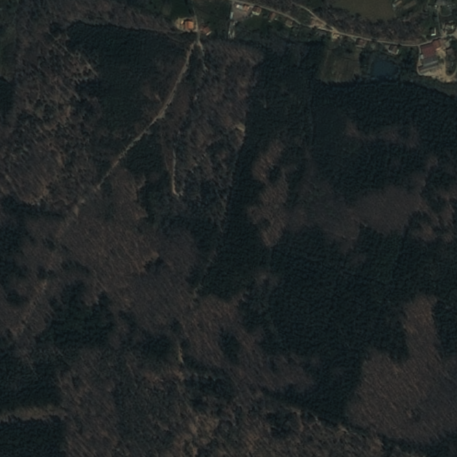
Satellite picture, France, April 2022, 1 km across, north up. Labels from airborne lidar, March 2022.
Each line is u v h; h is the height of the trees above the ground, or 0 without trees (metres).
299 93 14
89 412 25
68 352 29
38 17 30
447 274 23
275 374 32
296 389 21
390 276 13
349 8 0
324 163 19
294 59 29
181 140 27
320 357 20
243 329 24
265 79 18
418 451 26
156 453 25
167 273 25
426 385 24
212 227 23
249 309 16
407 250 23
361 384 24
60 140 9
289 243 15
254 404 30
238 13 0
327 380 28
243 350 29
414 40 14
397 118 25
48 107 7
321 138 17
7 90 27
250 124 17
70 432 26
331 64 0
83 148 23
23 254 19
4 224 0
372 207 0
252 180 25
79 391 28
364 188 16
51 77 19
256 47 22
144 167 12
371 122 21
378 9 0
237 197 19
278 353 26
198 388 28
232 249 18
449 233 23
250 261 22
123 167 14
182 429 26
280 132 18
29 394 35
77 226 0
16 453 26
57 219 19
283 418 32
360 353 19
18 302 22
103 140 12
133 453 27
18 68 27
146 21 0
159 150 12
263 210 19
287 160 21
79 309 16
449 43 0
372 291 21
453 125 24
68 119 8
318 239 17
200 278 22
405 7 0
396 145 19
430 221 27
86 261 0
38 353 30
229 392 30
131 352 23
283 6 19
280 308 24
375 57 14
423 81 14
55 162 29
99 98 20
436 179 26
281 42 20
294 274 25
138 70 13
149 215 12
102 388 28
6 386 24
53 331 22
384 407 22
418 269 21
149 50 14
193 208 25
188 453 6
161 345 26
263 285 22
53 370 27
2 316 0
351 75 0
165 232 16
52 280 23
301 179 21
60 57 10
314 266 18
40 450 23
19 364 27
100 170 9
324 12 22
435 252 29
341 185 19
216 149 15
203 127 21
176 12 0
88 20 0
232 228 21
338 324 19
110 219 17
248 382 0
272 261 18
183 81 8
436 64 0
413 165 19
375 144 14
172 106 11
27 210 24
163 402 28
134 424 25
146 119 8
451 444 20
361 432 22
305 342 25
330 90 20
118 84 13
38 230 0
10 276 25
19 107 22
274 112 15
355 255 15
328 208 20
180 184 9
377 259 14
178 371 13
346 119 14
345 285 20
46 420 0
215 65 21
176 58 12
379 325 15
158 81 11
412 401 23
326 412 20
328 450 28
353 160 17
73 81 7
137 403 29
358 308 23
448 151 32
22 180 26
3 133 21
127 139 11
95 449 24
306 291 24
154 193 18
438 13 0
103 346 29
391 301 25
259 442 0
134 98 14
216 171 9
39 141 8
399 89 28
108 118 12
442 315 29
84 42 15
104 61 13
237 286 17
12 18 23
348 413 19
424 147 25
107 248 0
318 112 18
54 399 32
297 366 18
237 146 23
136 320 29
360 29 22
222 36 0
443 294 24
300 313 14
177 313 0
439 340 24
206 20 0
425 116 23
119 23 25
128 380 30
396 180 22
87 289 26
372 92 24
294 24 7
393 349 23
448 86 13
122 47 18
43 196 0
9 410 26
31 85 24
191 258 0
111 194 12
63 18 22
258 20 0
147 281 24
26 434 31
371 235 18
